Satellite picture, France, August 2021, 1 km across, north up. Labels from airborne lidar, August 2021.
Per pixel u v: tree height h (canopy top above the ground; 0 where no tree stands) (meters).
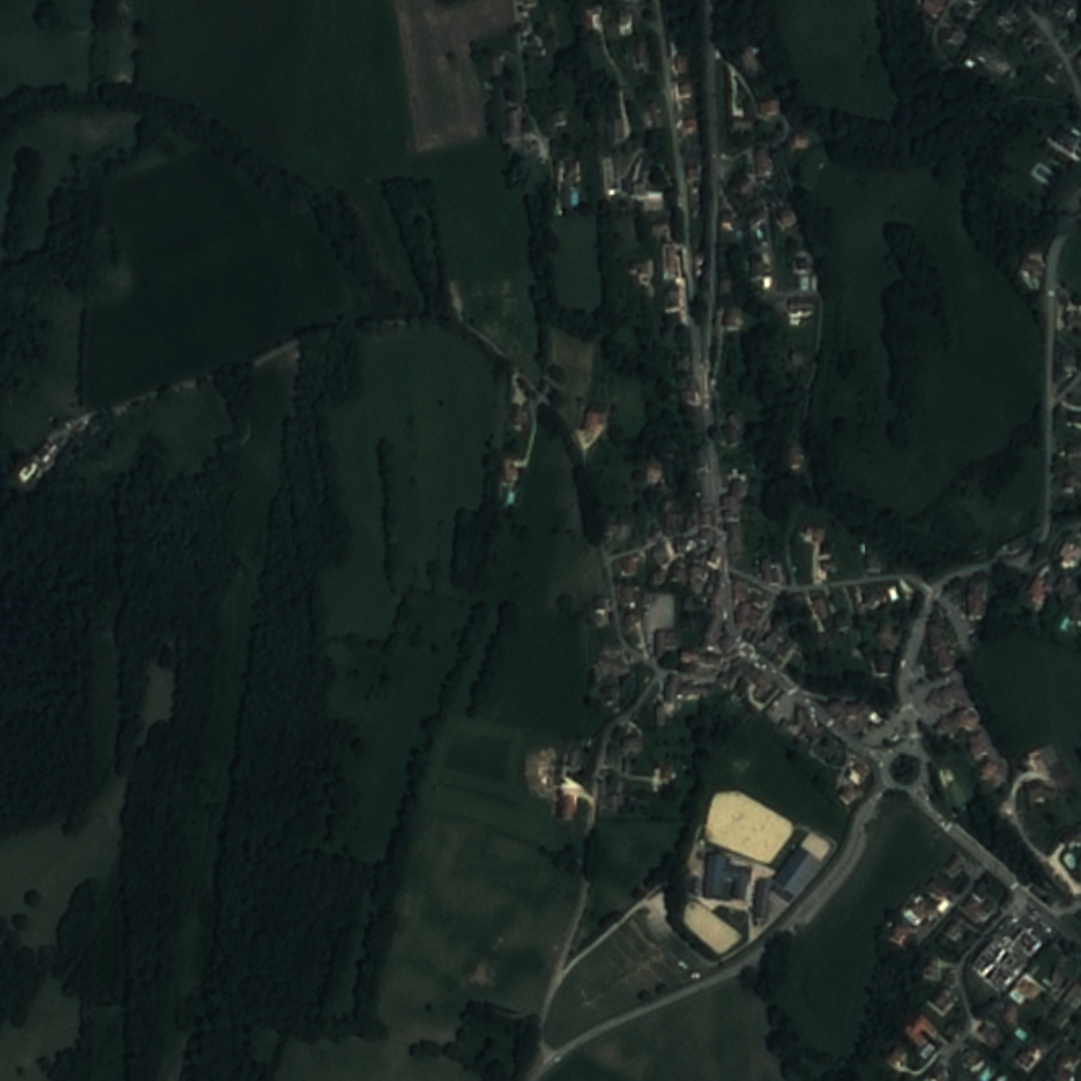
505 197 0
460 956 0
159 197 0
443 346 0
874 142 25
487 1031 0
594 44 11
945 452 0
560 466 0
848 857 0
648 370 20
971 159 16
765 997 18
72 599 20
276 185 15
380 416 0
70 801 21
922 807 0
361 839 0
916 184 0
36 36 0
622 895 0
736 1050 0
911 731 0
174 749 18
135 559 16
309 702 18
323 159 0
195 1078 22
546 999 0
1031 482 0
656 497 10
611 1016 0
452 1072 0
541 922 0
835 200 0
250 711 21
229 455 17
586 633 0
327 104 0
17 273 16
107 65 0
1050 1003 8
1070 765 0
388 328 10
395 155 0
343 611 0
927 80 21
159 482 10
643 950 0
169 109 17
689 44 25
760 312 14
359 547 0
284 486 9
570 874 8
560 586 0
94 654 11
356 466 0
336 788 21
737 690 7
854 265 0
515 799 0
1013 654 0
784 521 20
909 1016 13
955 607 0
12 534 21
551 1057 0
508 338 0
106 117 0
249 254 0
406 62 0
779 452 13
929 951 5
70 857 0
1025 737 0
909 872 0
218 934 13
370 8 0
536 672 0
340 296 0
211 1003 28
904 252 24
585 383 0
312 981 24
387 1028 14
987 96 24
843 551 0
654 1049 0
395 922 12
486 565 15
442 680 0
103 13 16
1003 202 16
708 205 15
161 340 0
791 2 0
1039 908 0
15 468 7
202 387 10
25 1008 19
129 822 15
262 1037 26
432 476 0
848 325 0
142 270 0
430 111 0
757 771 0
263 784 25
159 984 27
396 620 6
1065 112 6
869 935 0
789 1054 19
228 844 27
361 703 0
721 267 7
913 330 17
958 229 0
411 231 17
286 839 25
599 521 16
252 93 0
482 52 6
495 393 0
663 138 19
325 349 9
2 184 0
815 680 15
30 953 16
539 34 8
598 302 0
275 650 18
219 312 0
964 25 13
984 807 18
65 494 18
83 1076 20
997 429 0
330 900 24
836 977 0
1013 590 13
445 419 0
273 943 25
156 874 27
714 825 0
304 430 10
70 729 26
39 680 18
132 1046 19
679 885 21
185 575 21
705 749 22
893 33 20
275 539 9
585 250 0
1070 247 0
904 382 18
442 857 0
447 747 0
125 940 14
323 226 14
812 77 0
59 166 0
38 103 16
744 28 22
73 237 14
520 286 0
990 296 0
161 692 0
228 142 18
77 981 11
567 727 0
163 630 20
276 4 0
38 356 10
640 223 12
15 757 22
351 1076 0
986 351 0
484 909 0
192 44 0
